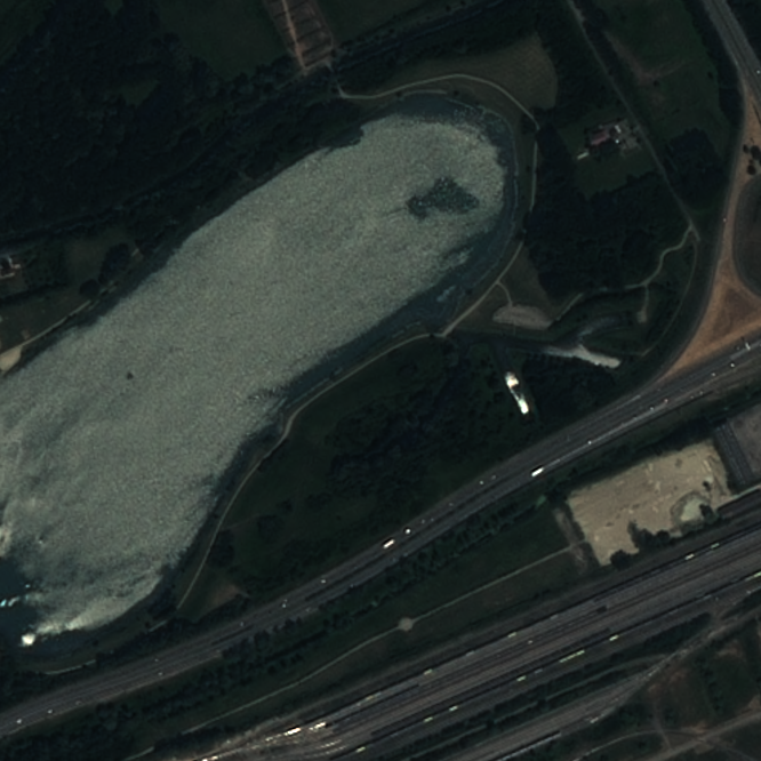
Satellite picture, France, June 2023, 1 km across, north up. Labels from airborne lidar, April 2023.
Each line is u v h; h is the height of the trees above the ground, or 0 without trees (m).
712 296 0
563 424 0
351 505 0
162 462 0
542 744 0
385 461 17
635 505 0
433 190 0
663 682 0
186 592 0
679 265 0
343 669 0
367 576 0
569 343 0
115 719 12
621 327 0
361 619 0
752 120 0
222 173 10
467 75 0
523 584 0
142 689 0
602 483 0
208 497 0
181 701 16
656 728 0
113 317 0
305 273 0
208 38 0
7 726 0
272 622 0
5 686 18
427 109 0
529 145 0
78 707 0
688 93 0
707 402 0
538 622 0
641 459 0
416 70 0
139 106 0
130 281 0
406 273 0
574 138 0
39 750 19
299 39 0
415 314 0
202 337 0
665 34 0
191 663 0
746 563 0
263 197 0
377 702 0
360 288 0
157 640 14
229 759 0
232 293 0
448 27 7
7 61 0
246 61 0
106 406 0
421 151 0
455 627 0
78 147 25
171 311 0
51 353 0
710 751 0
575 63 9
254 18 0
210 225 0
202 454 0
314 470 0
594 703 0
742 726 0
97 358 0
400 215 0
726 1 0
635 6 0
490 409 6
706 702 0
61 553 0
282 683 0
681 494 0
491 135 0
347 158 0
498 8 8
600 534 0
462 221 0
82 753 12
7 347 0
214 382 0
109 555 0
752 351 0
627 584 0
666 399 0
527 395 0
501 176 0
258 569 0
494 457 0
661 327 6
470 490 0
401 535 0
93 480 0
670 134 0
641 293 6
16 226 20
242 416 0
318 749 0
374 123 0
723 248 0
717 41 27
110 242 0
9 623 0
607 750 0
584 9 24
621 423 0
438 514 0
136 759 0
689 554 0
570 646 0
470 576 0
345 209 0
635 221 15
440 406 18
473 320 0
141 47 24
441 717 0
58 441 0
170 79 29
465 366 9
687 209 0
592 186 0
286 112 13
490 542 0
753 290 0
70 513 0
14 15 0
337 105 11
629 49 0
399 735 0
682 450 0
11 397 0
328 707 0
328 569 0
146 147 21
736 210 0
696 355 0
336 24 0
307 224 0
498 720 0
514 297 0
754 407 0
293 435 0
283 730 0
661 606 0
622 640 0
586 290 17
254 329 0
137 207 8
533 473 0
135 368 0
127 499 0
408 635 0
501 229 0
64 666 0
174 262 0
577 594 0
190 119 16
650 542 23
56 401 0
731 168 0
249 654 16
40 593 0
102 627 0
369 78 8
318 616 0
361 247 0
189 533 0
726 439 0
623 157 0
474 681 0
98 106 26
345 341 0
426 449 10
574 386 26
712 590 0
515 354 0
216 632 0
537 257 16
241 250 0
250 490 0
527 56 0
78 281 0
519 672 0
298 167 0
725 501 0
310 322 0
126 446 0
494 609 0
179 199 12
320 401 0
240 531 0
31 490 0
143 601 0
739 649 0
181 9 0
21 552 0
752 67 0
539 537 0
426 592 0
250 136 12
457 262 0
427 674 0
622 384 0
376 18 0
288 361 0
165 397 0
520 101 0
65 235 11
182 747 21
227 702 0
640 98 0
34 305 0
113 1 0
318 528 0
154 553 0
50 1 0
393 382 0
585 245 21
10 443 0
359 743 0
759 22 16
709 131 0
